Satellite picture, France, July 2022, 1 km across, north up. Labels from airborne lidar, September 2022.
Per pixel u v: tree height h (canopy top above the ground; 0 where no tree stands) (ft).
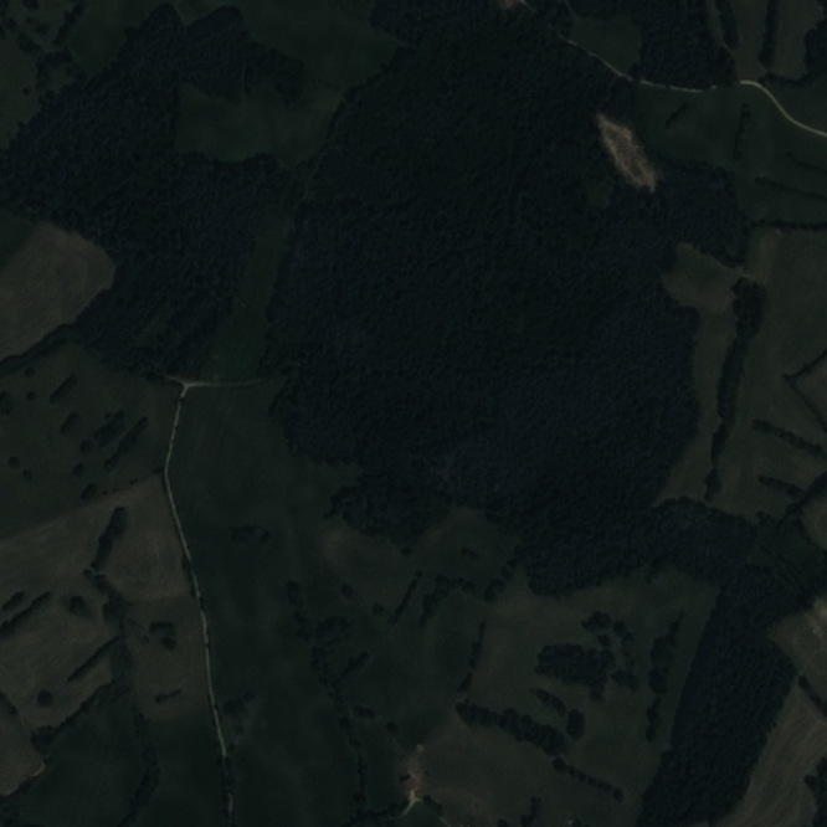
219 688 0
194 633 0
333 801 0
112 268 0
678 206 84
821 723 0
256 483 0
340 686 41
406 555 52
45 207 96
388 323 30
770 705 68
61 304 0
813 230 37
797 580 74
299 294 92
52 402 24
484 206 33
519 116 37
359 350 85
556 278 43
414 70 28
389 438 69
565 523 60
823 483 51
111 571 0
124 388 0
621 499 56
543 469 55
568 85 36
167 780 0
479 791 0
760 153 0
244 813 0
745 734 55
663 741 0
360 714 41
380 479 103
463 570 0
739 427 0
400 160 34
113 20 0
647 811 35
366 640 0
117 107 88
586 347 73
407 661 0
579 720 61
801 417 0
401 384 63
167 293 50
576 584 83
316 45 0
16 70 0
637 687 51
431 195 27
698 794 45
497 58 27
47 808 0
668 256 71
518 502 75
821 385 0
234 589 0
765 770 0
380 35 0
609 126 0
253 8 0
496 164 39
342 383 65
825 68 67
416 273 35
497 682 0
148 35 80
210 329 67
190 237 101
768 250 0
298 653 0
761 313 39
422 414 61
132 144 22
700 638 0
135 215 43
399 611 25
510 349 35
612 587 0
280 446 0
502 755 0
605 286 38
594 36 0
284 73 49
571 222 38
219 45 101
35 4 67
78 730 0
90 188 37
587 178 26
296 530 0
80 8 40
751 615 75
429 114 34
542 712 0
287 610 0
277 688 0
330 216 65
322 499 0
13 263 0
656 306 73
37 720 0
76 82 45
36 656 0
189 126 0
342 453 65
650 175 0
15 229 0
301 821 0
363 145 25
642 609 0
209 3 0
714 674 68
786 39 0
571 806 0
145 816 0
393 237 73
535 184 52
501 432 84
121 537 29
